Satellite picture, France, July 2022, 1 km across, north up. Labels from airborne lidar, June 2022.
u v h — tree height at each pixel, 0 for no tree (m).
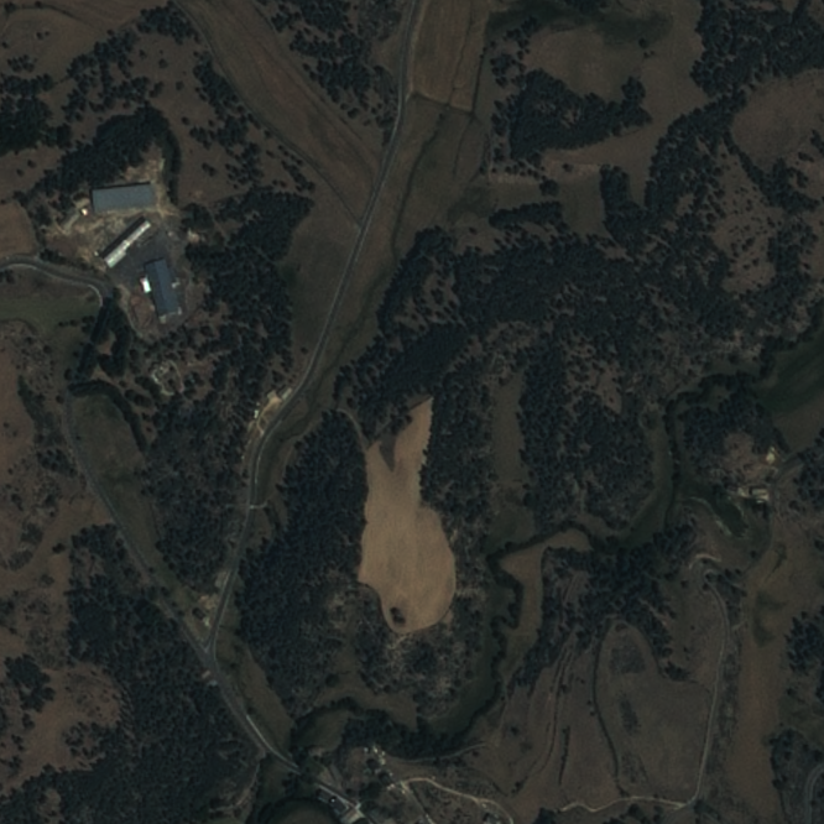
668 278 15
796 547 0
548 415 12
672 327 14
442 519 0
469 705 0
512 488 0
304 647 10
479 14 0
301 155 0
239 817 7
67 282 0
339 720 0
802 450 0
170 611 0
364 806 7
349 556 12
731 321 14
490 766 0
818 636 18
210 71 13
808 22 19
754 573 0
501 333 7
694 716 0
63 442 0
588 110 21
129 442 0
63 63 0
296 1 12
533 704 0
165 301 0
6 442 0
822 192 0
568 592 0
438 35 0
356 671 0
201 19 0
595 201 0
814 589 0
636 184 0
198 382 15
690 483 0
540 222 19
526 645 0
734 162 0
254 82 0
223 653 0
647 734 0
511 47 0
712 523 0
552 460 13
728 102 15
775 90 0
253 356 18
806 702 0
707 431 12
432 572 0
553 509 8
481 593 0
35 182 0
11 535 0
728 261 12
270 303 20
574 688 0
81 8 0
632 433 15
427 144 0
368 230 0
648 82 0
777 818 0
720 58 10
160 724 14
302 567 14
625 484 7
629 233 21
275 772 0
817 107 0
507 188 0
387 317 25
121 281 0
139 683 15
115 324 21
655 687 0
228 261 21
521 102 10
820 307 12
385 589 0
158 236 0
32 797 14
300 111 0
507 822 0
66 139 16
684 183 9
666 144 15
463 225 0
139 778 11
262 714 0
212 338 13
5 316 0
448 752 9
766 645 0
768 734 0
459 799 0
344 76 13
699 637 0
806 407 0
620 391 11
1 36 0
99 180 15
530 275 19
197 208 11
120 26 0
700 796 0
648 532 0
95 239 0
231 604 0
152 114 17
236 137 14
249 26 0
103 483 0
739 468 0
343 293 0
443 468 12
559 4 0
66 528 0
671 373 0
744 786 0
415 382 18
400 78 0
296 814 0
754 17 18
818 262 0
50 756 0
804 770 0
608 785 0
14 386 0
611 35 0
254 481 0
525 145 18
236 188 10
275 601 13
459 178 0
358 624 0
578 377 7
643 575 13
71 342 0
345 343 0
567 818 0
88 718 0
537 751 0
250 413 20
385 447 0
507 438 0
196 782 13
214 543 11
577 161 0
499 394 0
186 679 10
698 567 0
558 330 14
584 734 0
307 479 12
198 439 9
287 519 0
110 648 14
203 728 18
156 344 8
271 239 24
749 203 7
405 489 0
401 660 0
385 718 14
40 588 0
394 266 0
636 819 8
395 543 0
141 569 0
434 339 17
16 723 0
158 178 0
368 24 0
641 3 0
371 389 9
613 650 0
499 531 0
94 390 17
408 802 0
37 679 13
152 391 11
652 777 0
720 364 0
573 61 0
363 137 0
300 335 0
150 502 0
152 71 0
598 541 8
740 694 0
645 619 14
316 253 0
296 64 0
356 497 14
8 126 12
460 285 15
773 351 6
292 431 0
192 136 8
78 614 14
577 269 20
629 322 17
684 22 0
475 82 0
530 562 0
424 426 0
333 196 0
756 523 0
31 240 0
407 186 0
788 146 0
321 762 7
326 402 0
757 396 9
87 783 16
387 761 0
